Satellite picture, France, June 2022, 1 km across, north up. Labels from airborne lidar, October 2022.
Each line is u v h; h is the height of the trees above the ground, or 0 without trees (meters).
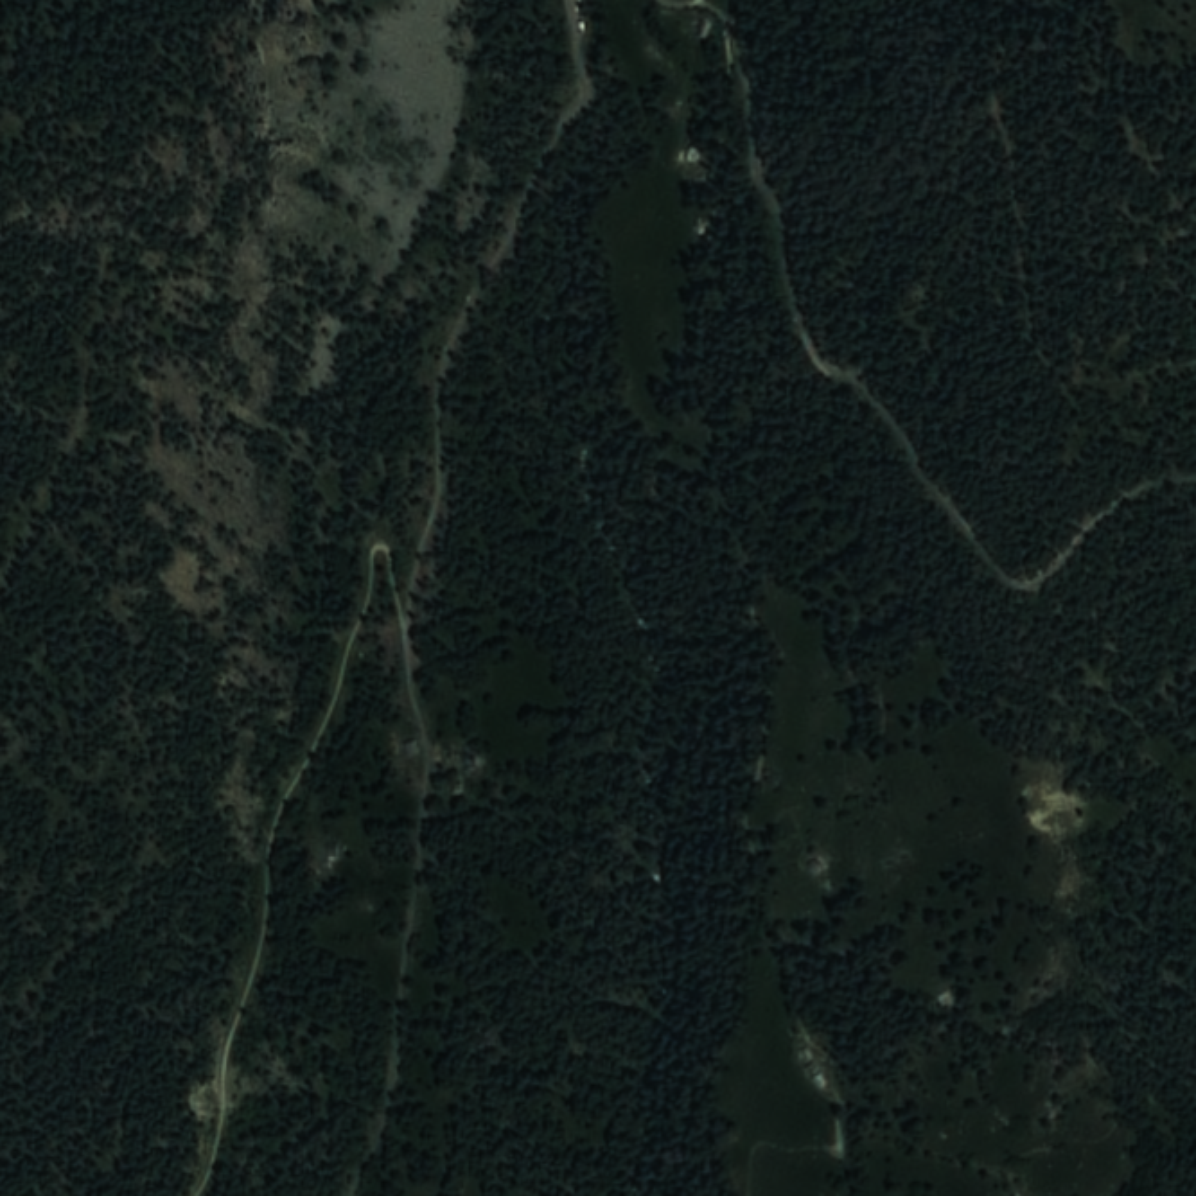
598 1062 22
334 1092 8
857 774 0
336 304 23
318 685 10
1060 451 22
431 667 20
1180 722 12
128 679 9
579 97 0
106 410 9
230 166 12
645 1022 30
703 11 7
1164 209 12
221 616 20
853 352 8
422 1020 6
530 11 6
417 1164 22
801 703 0
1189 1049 17
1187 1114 24
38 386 8
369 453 20
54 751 7
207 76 20
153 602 14
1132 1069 24
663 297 0
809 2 26
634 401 0
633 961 32
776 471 25
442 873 9
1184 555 23
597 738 33
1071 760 22
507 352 22
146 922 10
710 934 26
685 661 22
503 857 21
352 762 18
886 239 18
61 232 12
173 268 12
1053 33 18
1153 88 14
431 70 0
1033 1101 0
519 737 0
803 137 21
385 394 23
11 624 21
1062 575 9
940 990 0
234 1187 22
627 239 0
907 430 10
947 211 22
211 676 11
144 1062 22
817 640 0
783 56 24
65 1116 18
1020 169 15
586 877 31
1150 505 14
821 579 20
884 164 15
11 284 23
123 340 19
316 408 28
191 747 21
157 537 11
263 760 16
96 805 8
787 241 7
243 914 13
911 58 18
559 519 26
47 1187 23
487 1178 18
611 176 18
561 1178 28
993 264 15
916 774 0
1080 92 23
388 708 11
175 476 0
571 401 28
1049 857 0
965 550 15
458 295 9
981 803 0
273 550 18
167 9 22
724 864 28
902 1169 0
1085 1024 7
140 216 25
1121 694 25
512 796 19
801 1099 0
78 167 7
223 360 12
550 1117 15
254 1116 9
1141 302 15
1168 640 17
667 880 16
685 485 27
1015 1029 7
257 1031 16
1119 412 9
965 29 20
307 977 20
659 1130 16
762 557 25
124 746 6
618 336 19
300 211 0
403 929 11
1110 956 8
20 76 23
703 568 20
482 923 24
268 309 8
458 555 23
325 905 20
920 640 20
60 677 8
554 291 12
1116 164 20
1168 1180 25
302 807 13
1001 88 23
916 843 0
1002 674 15
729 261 33
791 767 0
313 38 6
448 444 19
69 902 10
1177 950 35
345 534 24
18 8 26
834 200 13
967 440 23
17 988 20
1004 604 18
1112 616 17
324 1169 33
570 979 14
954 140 18
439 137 0
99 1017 17
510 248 0
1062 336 12
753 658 14
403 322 9
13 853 11
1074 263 12
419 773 0
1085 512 11
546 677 0
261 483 6
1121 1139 0
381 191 0
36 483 28
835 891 0
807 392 23
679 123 0
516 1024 28
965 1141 0
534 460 7
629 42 0
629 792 29
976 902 9
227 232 20
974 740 0
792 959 25
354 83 0
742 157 10
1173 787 7
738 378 13
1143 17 0
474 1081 28
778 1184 0
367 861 0
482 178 0
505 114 10
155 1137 24
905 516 13
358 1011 20
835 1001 22
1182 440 11
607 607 22
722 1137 26
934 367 26
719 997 23
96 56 25
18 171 18
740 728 22
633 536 33
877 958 11
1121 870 10
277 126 6
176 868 14
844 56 28
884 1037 19
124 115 23
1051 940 16
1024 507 21
